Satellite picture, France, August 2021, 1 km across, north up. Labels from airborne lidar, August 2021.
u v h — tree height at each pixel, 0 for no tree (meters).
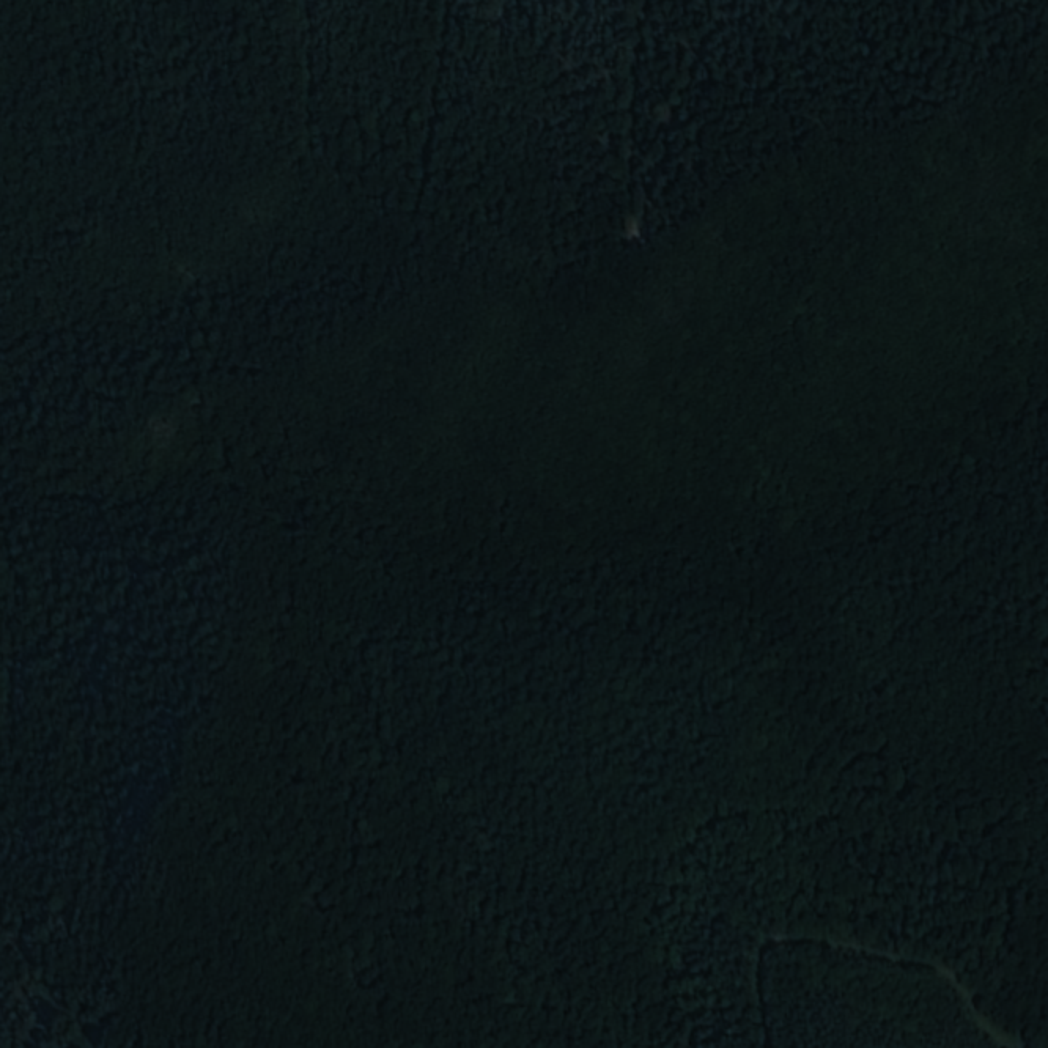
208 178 23
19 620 23
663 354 17
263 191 13
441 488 19
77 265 20
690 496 21
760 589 28
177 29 18
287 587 26
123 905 21
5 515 22
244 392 15
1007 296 15
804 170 11
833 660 25
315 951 23
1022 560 27
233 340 24
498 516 22
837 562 28
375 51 16
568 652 31
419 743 27
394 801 22
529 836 34
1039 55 21
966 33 17
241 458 31
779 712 26
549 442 12
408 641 23
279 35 19
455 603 32
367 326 18
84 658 27
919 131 18
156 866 22
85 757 24
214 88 18
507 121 21
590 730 26
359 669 26
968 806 28
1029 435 28
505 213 23
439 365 16
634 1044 25
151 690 28
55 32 26
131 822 19
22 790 28
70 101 21
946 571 23
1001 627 24
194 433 19
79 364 22
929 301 15
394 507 23
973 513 25
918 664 21
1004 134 16
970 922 17
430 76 18
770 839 21
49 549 24
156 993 22
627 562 31
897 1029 18
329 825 25
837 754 32
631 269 20
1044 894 21
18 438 23
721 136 19
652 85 8
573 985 30
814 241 18
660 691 28
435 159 24
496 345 11
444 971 25
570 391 11
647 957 32
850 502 24
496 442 20
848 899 20
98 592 22
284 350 28
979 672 20
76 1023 20
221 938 23
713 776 25
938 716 23
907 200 16
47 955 32
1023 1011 24
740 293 13
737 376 26
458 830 33
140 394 29
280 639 22
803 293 23
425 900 26
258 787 27
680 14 19
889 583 22
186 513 25
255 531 24
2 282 21
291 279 21
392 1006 31
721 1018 9
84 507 22
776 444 21
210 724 21
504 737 24
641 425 18
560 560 27
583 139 19
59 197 24
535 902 32
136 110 19
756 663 25
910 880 16
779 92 24
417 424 17
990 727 22
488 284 15
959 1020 20
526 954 33
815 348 20
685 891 10
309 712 32
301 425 20
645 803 23
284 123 16
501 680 24
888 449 19
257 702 21
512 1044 27
